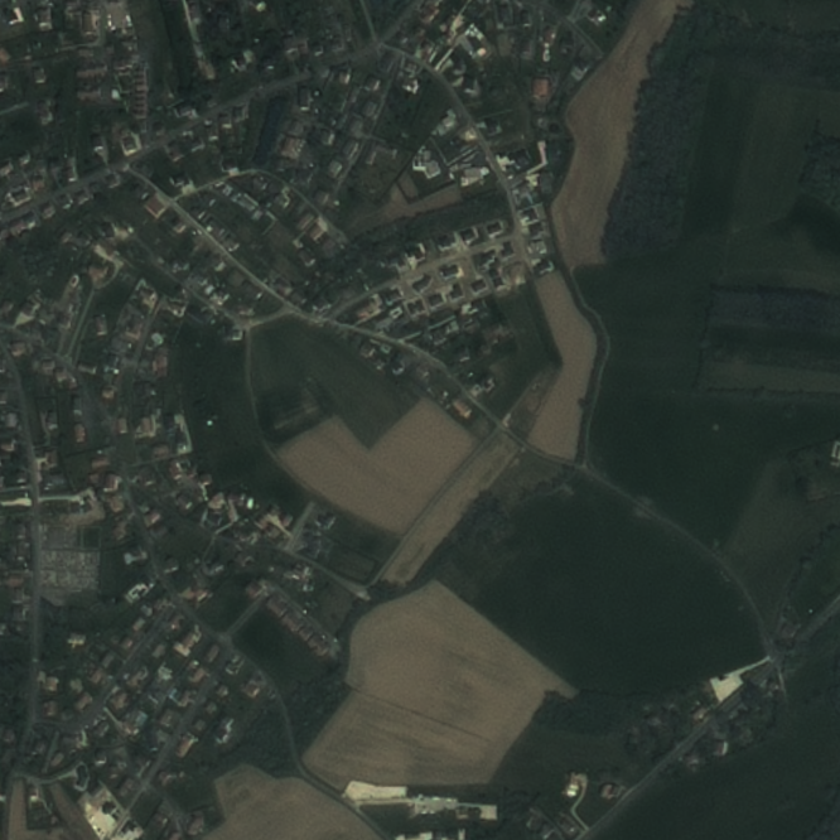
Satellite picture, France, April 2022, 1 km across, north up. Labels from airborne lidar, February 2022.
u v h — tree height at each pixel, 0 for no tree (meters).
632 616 0
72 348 0
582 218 0
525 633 0
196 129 0
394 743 0
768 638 0
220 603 0
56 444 8
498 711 0
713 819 0
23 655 0
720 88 0
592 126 0
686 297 0
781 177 0
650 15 0
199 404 8
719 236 0
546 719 6
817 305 26
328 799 0
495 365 0
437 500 0
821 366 0
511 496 0
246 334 0
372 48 0
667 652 0
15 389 0
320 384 0
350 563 0
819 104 0
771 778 0
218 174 0
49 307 0
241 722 0
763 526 0
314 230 0
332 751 0
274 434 0
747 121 0
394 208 0
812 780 0
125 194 0
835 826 19
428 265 0
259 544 0
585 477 0
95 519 0
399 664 0
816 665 0
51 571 0
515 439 0
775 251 0
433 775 0
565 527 0
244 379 0
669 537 0
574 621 0
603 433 0
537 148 0
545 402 0
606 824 0
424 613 0
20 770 14
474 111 0
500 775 0
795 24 0
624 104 0
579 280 0
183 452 0
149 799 0
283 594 0
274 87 0
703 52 16
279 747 6
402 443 0
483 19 0
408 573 0
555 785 0
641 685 0
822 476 0
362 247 7
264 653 0
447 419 0
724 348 9
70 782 0
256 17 0
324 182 0
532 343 0
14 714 6
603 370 0
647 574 0
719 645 0
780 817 0
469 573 0
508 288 0
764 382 0
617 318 0
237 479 0
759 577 0
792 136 0
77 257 0
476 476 0
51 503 0
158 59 0
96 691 0
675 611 0
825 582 0
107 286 0
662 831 0
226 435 0
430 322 10
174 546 0
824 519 0
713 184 0
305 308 0
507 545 0
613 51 0
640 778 0
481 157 0
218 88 12
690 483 0
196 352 0
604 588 0
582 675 0
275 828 0
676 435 0
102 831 0
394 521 0
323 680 6
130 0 0
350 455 0
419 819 0
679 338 0
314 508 0
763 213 0
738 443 0
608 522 0
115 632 0
